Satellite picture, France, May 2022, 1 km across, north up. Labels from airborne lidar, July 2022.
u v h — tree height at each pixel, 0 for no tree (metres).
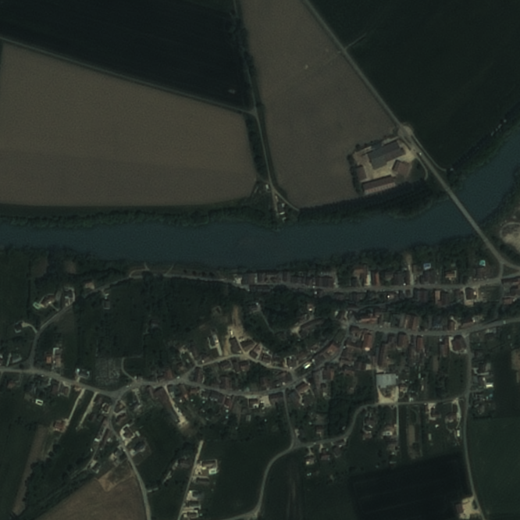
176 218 9
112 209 0
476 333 0
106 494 0
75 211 0
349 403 12
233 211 14
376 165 0
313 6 0
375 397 0
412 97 0
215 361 0
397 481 0
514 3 0
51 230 0
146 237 0
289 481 0
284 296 11
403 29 0
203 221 10
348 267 8
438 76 0
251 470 0
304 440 8
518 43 0
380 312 0
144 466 0
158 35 0
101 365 0
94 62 0
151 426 0
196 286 9
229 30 17
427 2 0
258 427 7
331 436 10
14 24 0
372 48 0
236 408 0
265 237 0
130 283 14
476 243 12
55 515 0
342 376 6
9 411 0
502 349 7
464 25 0
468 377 0
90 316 0
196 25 0
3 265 0
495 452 0
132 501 0
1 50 0
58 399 0
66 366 0
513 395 0
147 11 0
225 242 0
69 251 18
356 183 11
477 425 0
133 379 0
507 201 15
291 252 0
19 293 0
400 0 0
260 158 13
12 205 0
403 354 8
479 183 0
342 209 21
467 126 0
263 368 7
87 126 0
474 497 0
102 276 7
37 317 6
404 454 0
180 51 0
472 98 0
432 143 0
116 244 0
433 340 0
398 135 0
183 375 0
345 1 0
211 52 0
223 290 6
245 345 0
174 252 0
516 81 0
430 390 0
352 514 0
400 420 0
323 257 0
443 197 15
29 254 15
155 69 0
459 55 0
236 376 10
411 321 0
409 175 0
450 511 0
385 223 0
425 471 0
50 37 0
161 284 21
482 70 0
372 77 0
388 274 0
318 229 0
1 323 0
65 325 0
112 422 0
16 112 0
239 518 0
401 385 0
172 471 11
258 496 0
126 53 0
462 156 0
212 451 0
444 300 0
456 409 0
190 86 0
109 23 0
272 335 6
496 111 0
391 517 0
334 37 0
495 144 14
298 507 0
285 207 8
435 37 0
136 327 0
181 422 0
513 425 0
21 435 0
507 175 0
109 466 0
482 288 0
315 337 6
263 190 0
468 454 0
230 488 0
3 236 0
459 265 10
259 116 0
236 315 0
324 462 0
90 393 0
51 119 0
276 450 0
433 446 0
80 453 0
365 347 0
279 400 0
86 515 0
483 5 0
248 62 21
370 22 0
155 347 0
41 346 0
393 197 26
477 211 0
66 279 18
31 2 0
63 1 0
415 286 0
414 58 0
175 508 0
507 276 0
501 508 0
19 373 0
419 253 16
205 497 0
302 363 0
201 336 0
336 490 0
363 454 0
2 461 0
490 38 0
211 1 0
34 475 10
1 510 0
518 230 0
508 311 7
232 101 0
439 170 0
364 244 0
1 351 7
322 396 0
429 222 0
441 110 0
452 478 0
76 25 0
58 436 0
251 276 0
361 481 0
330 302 25
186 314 0
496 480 0
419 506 0
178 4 0
